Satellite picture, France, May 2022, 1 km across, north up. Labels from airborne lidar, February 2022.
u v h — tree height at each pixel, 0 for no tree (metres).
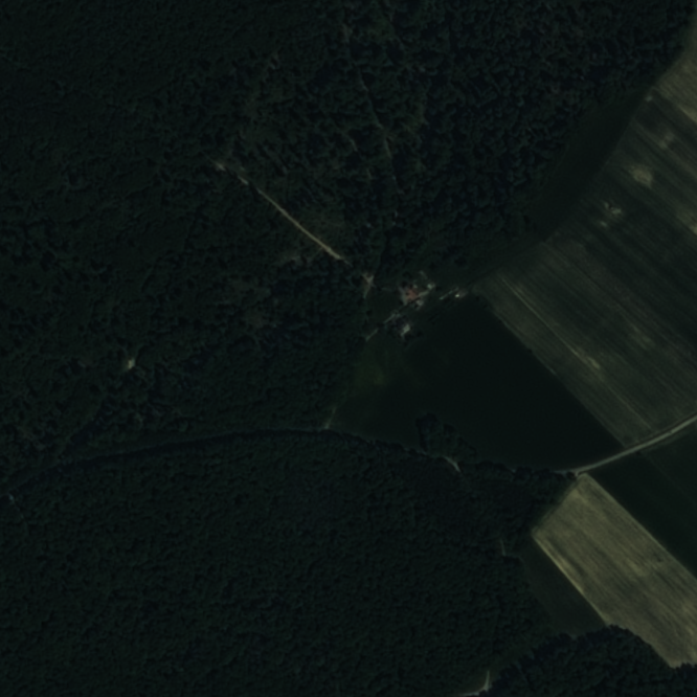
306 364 29
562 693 27
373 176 12
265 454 22
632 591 0
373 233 10
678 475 0
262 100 7
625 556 0
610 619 0
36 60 11
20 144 13
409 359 0
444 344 0
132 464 28
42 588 26
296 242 0
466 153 16
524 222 24
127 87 9
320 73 7
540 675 28
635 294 0
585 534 0
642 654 28
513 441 0
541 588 0
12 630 26
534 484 22
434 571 30
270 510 22
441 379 0
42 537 29
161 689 24
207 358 29
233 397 31
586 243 0
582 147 0
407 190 37
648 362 0
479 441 0
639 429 0
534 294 0
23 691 25
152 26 11
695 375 0
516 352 0
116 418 29
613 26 13
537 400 0
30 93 13
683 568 0
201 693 28
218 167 0
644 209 0
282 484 26
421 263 0
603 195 0
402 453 21
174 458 27
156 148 12
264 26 11
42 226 10
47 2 10
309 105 8
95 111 12
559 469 0
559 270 0
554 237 0
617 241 0
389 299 0
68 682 27
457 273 0
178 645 27
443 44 41
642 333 0
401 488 12
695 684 29
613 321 0
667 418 0
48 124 13
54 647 30
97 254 9
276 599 11
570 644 22
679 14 30
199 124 20
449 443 30
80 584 29
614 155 0
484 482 15
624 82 33
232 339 14
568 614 0
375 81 44
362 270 13
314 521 26
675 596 0
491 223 35
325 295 30
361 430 0
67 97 10
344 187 34
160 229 11
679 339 0
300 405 28
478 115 36
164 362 27
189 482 28
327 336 30
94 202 7
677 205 0
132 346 24
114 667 24
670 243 0
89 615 23
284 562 25
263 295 0
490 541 16
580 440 0
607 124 0
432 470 16
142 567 28
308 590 28
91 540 30
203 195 25
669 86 0
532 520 20
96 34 14
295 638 23
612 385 0
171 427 19
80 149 11
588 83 35
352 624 29
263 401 29
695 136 0
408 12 37
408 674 28
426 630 28
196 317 13
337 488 25
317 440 24
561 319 0
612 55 37
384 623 30
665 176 0
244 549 24
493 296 0
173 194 6
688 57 0
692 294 0
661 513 0
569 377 0
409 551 28
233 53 10
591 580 0
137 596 25
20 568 25
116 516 29
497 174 10
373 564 29
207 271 8
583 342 0
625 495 0
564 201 0
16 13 18
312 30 13
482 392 0
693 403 0
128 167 8
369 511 22
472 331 0
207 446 24
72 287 8
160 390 28
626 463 0
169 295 19
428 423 16
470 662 26
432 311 0
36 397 33
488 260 0
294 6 12
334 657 23
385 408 0
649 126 0
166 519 27
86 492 28
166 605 26
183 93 8
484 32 37
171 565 29
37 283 10
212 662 27
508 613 27
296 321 28
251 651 25
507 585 26
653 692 25
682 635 0
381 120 37
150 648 24
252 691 30
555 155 24
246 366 29
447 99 44
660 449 0
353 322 27
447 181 26
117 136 10
